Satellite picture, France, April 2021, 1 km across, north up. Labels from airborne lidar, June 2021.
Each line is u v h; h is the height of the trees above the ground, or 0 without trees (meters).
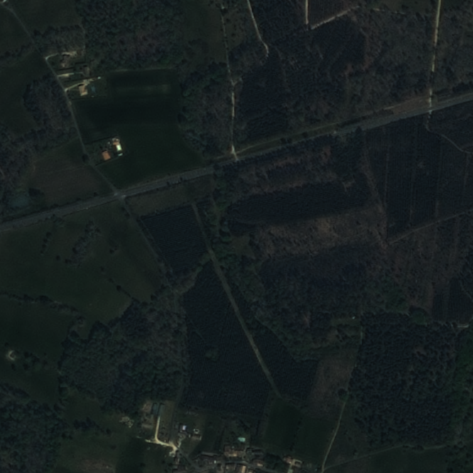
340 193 12
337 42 9
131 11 16
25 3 0
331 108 20
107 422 0
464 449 9
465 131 6
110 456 0
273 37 19
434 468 0
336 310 17
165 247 9
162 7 23
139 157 0
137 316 16
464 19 10
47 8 0
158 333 17
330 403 8
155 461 0
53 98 7
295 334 22
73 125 16
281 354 11
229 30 0
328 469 0
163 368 11
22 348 0
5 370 0
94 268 0
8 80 0
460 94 10
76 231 0
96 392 16
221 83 17
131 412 12
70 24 0
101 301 0
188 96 17
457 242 6
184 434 0
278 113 16
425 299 11
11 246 0
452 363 15
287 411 0
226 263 14
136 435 0
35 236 0
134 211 0
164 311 12
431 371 11
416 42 14
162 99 0
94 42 15
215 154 11
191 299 11
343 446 0
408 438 17
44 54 19
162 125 0
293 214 11
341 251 7
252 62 14
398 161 6
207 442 0
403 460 0
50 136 16
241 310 10
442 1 0
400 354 18
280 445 0
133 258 0
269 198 10
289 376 11
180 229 9
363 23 10
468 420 11
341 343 7
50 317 0
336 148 16
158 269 0
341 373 8
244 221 7
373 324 13
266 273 9
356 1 14
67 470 0
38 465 12
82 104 0
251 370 8
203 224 8
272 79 13
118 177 0
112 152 7
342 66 9
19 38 0
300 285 12
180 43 8
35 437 18
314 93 21
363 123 8
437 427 16
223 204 23
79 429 19
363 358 13
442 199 6
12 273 0
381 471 0
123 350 11
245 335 9
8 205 16
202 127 16
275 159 13
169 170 0
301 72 20
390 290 15
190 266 9
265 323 14
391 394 16
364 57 11
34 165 0
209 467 0
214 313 11
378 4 21
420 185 8
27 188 0
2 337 0
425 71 11
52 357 0
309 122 15
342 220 0
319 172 15
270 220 12
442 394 15
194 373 9
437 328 10
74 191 0
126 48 15
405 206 8
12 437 6
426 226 0
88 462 0
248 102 13
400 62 12
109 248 0
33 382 0
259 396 9
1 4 0
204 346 10
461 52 15
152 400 14
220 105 14
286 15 18
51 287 0
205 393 10
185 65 13
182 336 17
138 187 0
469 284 12
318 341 14
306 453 0
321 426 0
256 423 6
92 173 0
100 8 21
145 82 0
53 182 0
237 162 0
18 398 23
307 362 9
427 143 8
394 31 15
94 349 17
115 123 0
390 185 6
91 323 0
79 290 0
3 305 0
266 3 18
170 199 0
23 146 17
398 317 14
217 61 0
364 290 21
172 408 0
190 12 0
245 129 7
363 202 9
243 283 24
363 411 14
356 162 13
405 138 6
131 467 0
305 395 10
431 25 17
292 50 18
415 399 16
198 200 8
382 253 7
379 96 12
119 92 0
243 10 10
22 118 0
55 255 0
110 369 15
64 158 0
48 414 21
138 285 0
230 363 8
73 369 17
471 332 7
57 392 0
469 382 13
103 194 0
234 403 9
